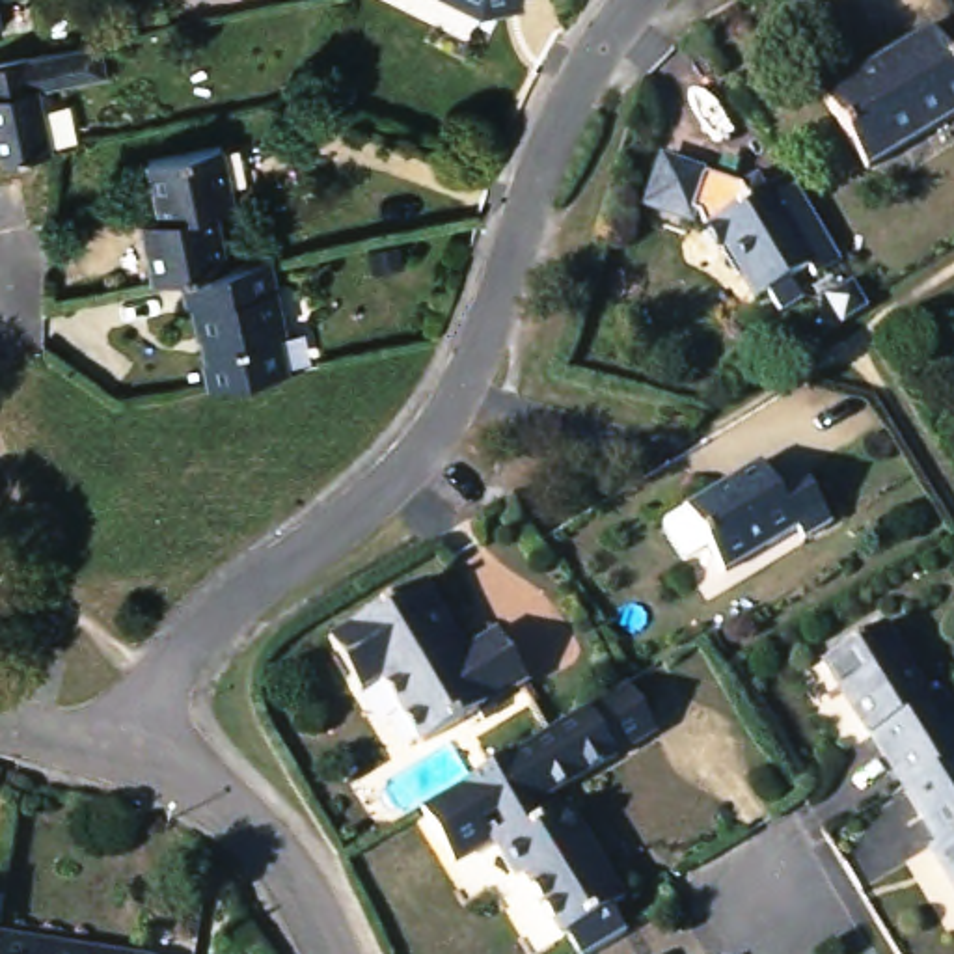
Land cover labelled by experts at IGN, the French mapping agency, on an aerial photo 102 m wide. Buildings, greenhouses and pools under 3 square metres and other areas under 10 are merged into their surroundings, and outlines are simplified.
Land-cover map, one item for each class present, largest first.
<instances>
[{"label":"herbaceous vegetation","instance_id":"1","mask_svg":"<svg viewBox=\"0 0 954 954\"><path fill-rule=\"evenodd\" d=\"M246 11L212 15L220 34L205 48H186L183 37L171 30L168 11L157 4L153 34L134 30L130 45L116 48L112 60L116 75L86 86L82 93H41V108L48 112L56 149L75 145V138H108L112 127L153 119L175 108H194L198 101L276 93L287 86L291 71L309 60L313 75L324 86L328 108L339 116L373 112L380 119L410 127L417 142L436 134V112L458 104L466 119L488 130V149L507 160L525 127V112L518 108V86L525 78V63L511 45V19H496L492 34L455 37L414 15H402L410 0H246ZM838 37L835 63L816 75L827 97L868 63V56L879 45L902 37L913 26V19L943 22V30L954 37V0H820ZM4 34H34L56 41L67 34V22H48L22 4L15 7ZM831 116L827 97L775 112L779 123L783 130L801 134L809 123ZM198 149H227L242 157L253 153V138L242 130V123H209L201 130L123 149L112 175L145 168ZM950 134L947 153L932 168H909L891 171L894 183L906 186L909 201L902 205L868 209L853 183L827 179V186L820 190L838 205L850 235L861 239L857 250H868L879 265L894 272L906 261L920 257L928 242L954 235V123L943 127ZM626 160L622 153H607L596 175L589 179L585 194L566 209H555L563 224L555 235V250L563 253L559 257L566 272L589 287L581 320L570 313L533 317V294L525 287L514 298V309L525 320H533V335H525L522 343V373L514 391L518 406L525 410L522 414L525 425L559 429L581 443H630L641 451V477L648 481L641 492H634L615 511L589 507L555 522V533L574 537L585 578L596 581V589L619 611L622 604H637L645 611V630L634 634L637 656L652 660L663 675H686L697 682L704 678V667L693 652V641L712 645L719 626L738 611H749L753 604H771L775 619L786 622L801 611H816L824 600L846 593L868 574L894 566L902 555L917 548L920 537L898 540L891 548L876 544V522L909 499H920L928 488L913 458H879V466L868 470L853 514L835 522L805 529V544L775 559L771 566L749 574L745 581L716 596H704L701 589L678 604L660 600V578L682 559L663 533V518L675 507L689 503L697 499V492L708 488L704 473L689 466V451L716 429L719 417L716 410H704L693 425H663V410L675 395L585 369L596 354L593 347L604 313L619 302L622 287L648 272L656 298L637 302V309L630 313L634 328L652 347H660L663 339L678 343L686 354L682 373L689 380H708L716 369V361L723 358V343H734L742 335L738 320L753 306L771 332L794 339L809 354V369L797 380L801 388L838 391L831 421H846L861 410H872L879 421L894 425L906 417L902 395L909 388L902 373L887 361L865 358L872 332L865 324L835 317L827 302H820L812 313H790L783 309L775 283L756 291L753 302H745L734 291L719 287L704 268L686 261L682 242L671 231H663V224L645 242H634L626 253L607 250L600 242L611 231V209L619 201L615 171ZM75 171L67 157L60 160V175L52 186L41 164L0 168V186L19 183L26 220L41 227L48 224L56 231H71L86 246L104 231L93 216V190H75ZM239 209H257L265 216V235H272L276 250L287 257L410 227H436L455 220L481 224L484 220L477 205L443 201L388 171H369L350 194H343L306 227L294 220L287 183V175L265 171L246 186ZM447 242H429V253L395 276H376L369 268V257H350L343 265V272L332 283V320L306 339L317 350L309 369H291L283 384H272L253 395H209L198 384V339H183L171 343L160 339V332L138 339L123 354L130 365L123 380L93 358H86L63 335L45 339L48 354L63 358L71 369H78L116 399L175 395V410H160L149 417L101 414L63 384L48 380L34 358L26 361L19 388L0 402V503L15 499L19 511L48 533L60 559L41 563L48 611H19L22 626L30 630V641L11 652L22 663L48 671L45 686L37 689L63 708L86 704L119 682V667L78 630V619L86 615L116 630L119 604L138 589L160 593L168 611L179 600H186L216 566H224L242 544L294 514L313 492H320L384 432V425L399 414V406L425 376L436 343L451 328L458 302L451 294H432V272L443 261ZM384 332H421L425 343L388 347L339 361L320 358L328 347ZM920 302L928 306V317L935 324L939 354L954 361V279ZM462 466H470L484 488L503 484L511 496L522 488L537 470V458L496 462L488 451H481L477 432L458 451ZM410 540V525L402 518H384L354 548L324 563L317 574H309L261 611V622L272 634L287 626L298 611H306L313 600L328 596L335 585L350 581L358 566L376 563L391 548ZM932 585H950L947 604L935 611L939 637L954 656V574L935 566L913 570L909 581H902V596L913 600ZM265 656V641L242 648L235 663L224 671V678L212 689V716L220 730L231 738V745L276 786V794L294 812L306 816L313 831L324 824L313 809L309 790L298 779L287 745L272 730L257 701V663ZM306 667L309 693L324 712V730L306 734V745L313 753L373 734L369 716L347 693V682L328 645H317L298 660ZM764 712L779 723L783 742L801 764L812 756V742L801 734V719L786 704L779 682L764 678ZM533 727L525 716H518L481 734V749L496 753L503 745H518L522 738H529ZM593 775L581 786L585 794L622 786L630 797L626 816L637 827L648 857L660 865H682L689 838L719 824V809L727 801L708 794L701 783L678 775L663 756L660 738L622 753L619 760L596 753V764H589ZM201 831L168 816L164 831H153L138 850H130L116 857L82 853L67 838L63 812H41L37 824L30 853V909L41 920V928L67 920L75 932L101 928L119 932L130 943L160 939L164 932H194L198 891L186 879V850ZM391 835L388 846L369 857V868L380 891L388 894L391 913L414 954H529L518 939L514 920L507 917L499 891L473 894L455 887L436 850L429 846L421 824L410 812H406L399 820H384ZM868 898L887 920L902 954H954V928L943 924V909L924 898L906 861L902 868L887 872L883 883L868 887Z\"/></svg>","mask_w":954,"mask_h":954},{"label":"impervious surface","instance_id":"2","mask_svg":"<svg viewBox=\"0 0 954 954\"><path fill-rule=\"evenodd\" d=\"M402 15H414L455 37L492 34L496 19H473L447 0H410ZM727 15L723 0H525L522 11L511 19V45L525 63V78L518 86V108L525 112V127L507 160L492 186L466 190L443 183L425 160L402 153L388 157L376 145L339 142H324V157H332L335 164H361L369 171H388L443 201L477 205L484 220L481 224V235L473 239V265L458 302L451 328L436 343L425 376L399 406V414L384 425V432L320 492H313L294 514L242 544L224 566H216L186 600H179L168 611L160 626L134 645L138 663L119 667V682L86 704L63 708L37 689L19 708L0 712V756L19 768L41 771L52 783L75 786H101L119 794V801L134 816L127 838L130 850H138L153 831H164L168 816L201 831L186 850V879L198 891L194 932H164L160 939L164 947H198L205 954H209L212 935H224V928L231 924L216 913L220 898H239L246 924L268 954H384L376 928L369 924V913L350 883L343 853L324 824L313 831L306 816L294 812L276 794V786L231 745V738L220 730L212 716V689L224 678V671L235 663L242 648L265 641L272 634L261 622V611L309 574H317L324 563L354 548L384 518H402L410 525V540H440L447 544L451 559L473 563L492 611L499 619H514L511 641L522 656L529 689H518L503 708L477 712L455 730L429 742L417 734L414 716L402 708L391 682H365L361 675L347 682V693L369 716L373 734L380 738L388 756L380 768L354 779V797L373 820H399L406 812L388 805L384 786L399 771L421 764L432 753L458 749L470 756L473 768L488 764L496 753L481 749V734L518 716H525L533 727H544V719L559 716L563 708L552 689V671L555 663L578 667L581 641L570 637L566 622L552 619L555 600L544 596L529 578L503 566L496 548H488L481 533L488 507L511 496L503 484L484 488L470 466H462L458 451L477 432L481 425L511 421L522 414L525 410L518 406L514 391L522 373V343L525 335H533V320H525L514 309V298L525 287L529 268H540L544 261L559 257L563 253L555 250V235L563 224L555 209L559 171L570 157L578 127L600 112L611 89H634L645 78L660 71L675 78L689 56H678L682 30ZM950 134L943 127L924 145L906 149L909 168H932L947 153ZM246 186L265 171L287 175V183L298 179V171L279 168V157L253 153L242 157ZM48 253L41 246V227L26 220L19 183L0 186V402L19 388L26 361L34 358L48 354L45 339L63 335L86 358H93L123 380L130 365L123 354L138 339L160 332V339L171 343L183 339L190 332V317L179 306L183 298L175 291L153 298L142 313H134L130 306L104 302L48 320L41 317V302L48 298ZM719 216L701 209L697 194H686V220H663V231H671L682 242L686 261L704 268L719 287L734 291L745 302H753L756 291L738 268L727 265L723 246L712 235ZM112 268H127L130 276H157V257H145L142 231H104L86 246V253L67 265V283L97 279ZM838 391L801 388L794 395H760L719 417L716 429L689 451V466L704 473H734L756 458H768L786 488H794L801 477H816L827 514L835 522L853 514L868 470L846 447L872 432L879 421L872 410H861L846 421H831ZM663 533L682 559L701 566V589L704 596H716L745 581L749 574L771 566L775 559L805 544V529L794 525L764 552L742 563H723L712 522L689 503L675 507L663 518ZM816 708L820 716L838 719L842 738H853L857 768L831 797L805 805L794 816L764 820V835L749 838L689 872V879H678L667 928L645 924L619 943H578L574 928L555 924V909L548 906L544 891L529 876L514 872L499 850L484 842L466 857L455 853L440 816L432 812V801L410 812L421 824L429 846L436 850L455 887L473 894L499 891L507 917L514 920L518 939L529 954H902L887 920L868 898V887L883 883L887 872L902 868L906 861L924 898L943 909V924L954 928V879L947 876L935 853L924 850L928 827L917 820L909 797L902 794L891 756L872 742H861L868 727L846 701V682L835 675V667L820 660ZM865 790L883 797L879 820L865 831L846 827L831 835V816L853 812Z\"/></svg>","mask_w":954,"mask_h":954},{"label":"building","instance_id":"3","mask_svg":"<svg viewBox=\"0 0 954 954\"><path fill-rule=\"evenodd\" d=\"M22 4V0H0V168L41 164L56 149L48 112L41 108V93H82L86 86L116 75L112 60L89 56L82 34H67L56 41L34 34H4L15 7ZM473 19H511L522 11L525 0H447ZM831 116L842 127L861 168L872 175L891 171L909 168L906 149L924 145L943 127L954 123V37L943 30V22L913 19V26L902 37L879 45L868 56V63L827 97ZM719 153L712 145H663L645 190L648 209H656L663 220H686V194H697L701 209L719 216L712 235L723 246L727 265L738 268L756 291L775 283L783 309L790 313H812L820 302H827L835 317L865 324L868 313L883 306L891 294L879 279V265L868 250H857L861 239L850 235L838 205L820 190H805L801 183H794V175L771 164L764 179L749 190L742 179L716 171ZM153 190V220L142 231L145 257H157V276L164 272L175 291L183 298L179 306L190 317V332L183 339H198V384L209 395H253L272 384H283L291 369H309L317 350L306 339L294 335L298 298L291 294L287 272L227 253L231 212L239 209L246 186L242 157L227 149H198L145 168ZM429 253V242L391 246L369 257V268L376 276H395ZM708 488L697 492V499L689 503L712 522L723 563H742L764 552L794 525L805 529L835 522L827 514L816 477H801L794 488H786L768 458H756L734 473H704ZM514 619H499L492 611L473 563L451 559V566L436 578L399 581L391 593H376L347 622H339L335 634H328V645L347 682L361 675L365 682H391L402 708L414 716L417 734L429 742L455 730L477 712L503 708L518 689H529L522 656L511 641ZM820 660L835 667V675L846 682V701L868 727L861 742H872L891 756L902 794L909 797L917 820L928 827L924 850L935 853L947 876L954 879V656L939 637L935 611L920 607L902 619H879V611H865L838 637L827 641V652ZM604 693L578 712L563 708L559 716L544 719V727H533L529 738H522L518 745H503L496 753L488 764L473 768L470 756L458 749L462 783L436 794L432 801V812L440 816L455 853L466 857L484 842L499 850L514 872L529 876L544 891L548 906L555 909V924L574 928L578 943H619L645 924V909L652 906L660 887V865L648 857L637 827L626 816L630 797L622 786L585 794L581 786L593 775L589 764H596V753L619 760L622 753L660 738L675 723H682L686 708L693 704L697 682L686 675H663L652 660L637 656L604 660ZM37 824L26 816L15 820L11 861L0 868V954H205L198 947H164L160 939L130 943L119 932L101 928L75 932L67 920L41 928V920L30 909V853Z\"/></svg>","mask_w":954,"mask_h":954},{"label":"brushwood","instance_id":"4","mask_svg":"<svg viewBox=\"0 0 954 954\"><path fill-rule=\"evenodd\" d=\"M22 4L48 22H67V34H82L89 56L112 60L116 48L130 45L134 30L153 34L157 4L168 11L171 30L183 37L186 48H205L220 34L212 15L246 11V0H22ZM727 15L682 30L678 56H689L708 63V93L723 104L730 127L745 123H779L775 112L753 89L742 56L764 34L775 30L779 19L809 11L816 0H723ZM663 127V104L645 78L634 89H611L600 112L578 127L570 157L559 171L555 209H566L585 194L589 179L596 175L607 153H622L626 160L615 171L619 201L611 209V231L600 242L607 250L626 253L634 242H645L663 224V220L656 209H648L645 190L663 145L656 134ZM276 93L198 101L194 108H175L153 119L112 127L108 138H75V145L56 149L41 164L52 186L60 175V160L67 157L75 171V190H93L104 175H112L123 149L201 130L209 123H242V130L253 138L261 127L272 123V112L265 104H272ZM339 142L376 145L388 157L402 153L417 142L410 127L380 119L373 112L339 116ZM369 171L361 164H335L332 157H324L313 168L298 171V179L287 183L294 220L306 227L343 194H350ZM868 209L902 205L909 201L906 186L894 183L891 171L872 175L861 168L853 183ZM481 235V224L455 220L436 227H410L287 257L276 250L272 235H265V216L257 209H239L231 212L227 253L287 272L291 294L298 298L294 335L306 339L332 320V283L343 272V265L350 257H369L391 246L429 242H447L443 261L432 272V294H451L458 302L473 265V239ZM41 246L48 253V298L41 302V317L48 320L104 302L130 306L134 313H142L153 298L175 291L164 272L157 276H130L127 268H112L97 279L67 283V265L86 253V246L71 231H56L48 224L41 227ZM954 261V235L928 242L920 257L906 261L894 272L879 265V279L891 294L913 287L939 265ZM656 298L648 272L622 287L619 302L604 313L593 347L596 354L585 369L675 395L663 410V425H693L704 410H716L719 417L760 395L756 384L727 380L716 369L708 380H689L682 373L686 354L678 343L663 339L660 347H652L634 328L630 313L637 309V302ZM865 358L887 361L902 373L909 388L902 395L906 417L894 425L879 421L872 432L846 447L868 470L879 466V458H913L928 488L920 499H909L876 522V544L891 548L898 540L920 537L917 548L902 555L894 566L868 574L846 593L824 600L816 611H801L786 622L775 619L771 604H753L749 611H738L719 626L712 645L693 641V652L704 667V678L697 682L693 704L712 708L730 723V734L738 738V756L749 771V786L764 801V820L794 816L805 805L831 797L857 768L853 738H842L838 719L820 716L816 708L820 660L827 652V641L838 637L865 611H879V619H902L920 607L935 611L947 604L950 585H932L913 600L902 596V581H909L913 570L935 566L954 574V361L939 354L935 324L928 317V306L920 302L898 309L872 332ZM764 678L779 682L786 704L801 719V734L812 742V756L801 764L783 742L779 723L764 712ZM425 343L421 332H384L328 347L320 358L339 361L388 347ZM48 380L63 384L101 414L149 417L160 410H175V395L116 399L78 369H71L63 358L48 354L34 358ZM481 533L488 548H496L503 566L529 578L544 596L555 600L552 619L566 622L570 637L581 641L578 667L555 663L552 671V689L563 708L578 712L604 693V660L637 656L634 634L622 626L619 611L596 589V581L585 578L574 537L555 533V522H548L537 511L533 496L522 488L511 496L488 507ZM451 566V559L447 544L440 540H410L391 548L376 563L358 566L350 581L335 585L328 596L313 600L306 611H298L287 626L272 634L265 641V656L257 663V701L272 730L287 745L298 779L309 790L313 809L324 824L343 853L350 883L369 913V924L376 928L384 954H414L391 913L388 894L380 891L369 868V857L388 846L391 835L384 820H373L354 797V779L380 768L388 756L380 738L373 734L313 753L306 745V734L324 730V712L309 693L306 667L298 660L317 645H328V634H335L339 622H347L376 593H391L399 581L436 578ZM701 589V566L682 559L660 578V600L678 604ZM168 611L160 593L138 589L119 604L116 630L123 641L134 645L160 626ZM82 805V794L75 786L52 783L41 771L19 768L0 756V868L11 861L15 820L26 816L37 824L41 812H78ZM883 797L865 790L853 812L831 816V835L846 827L865 831L879 820ZM749 838L745 820H738L734 805L727 801L719 809V824L689 838L682 865H660V887L652 906L645 909V924L667 928L678 879H689V872ZM216 913L231 924L224 928V935H212L209 954H268L246 924L239 898H220Z\"/></svg>","mask_w":954,"mask_h":954},{"label":"deciduous trees","instance_id":"5","mask_svg":"<svg viewBox=\"0 0 954 954\"><path fill-rule=\"evenodd\" d=\"M838 37L820 0H816L809 11L779 19L775 30L764 34L742 56L753 89L775 112L827 97L816 75L835 63ZM272 112V123L261 127L253 138V153L279 157V168L298 171L313 168L324 157V142H339V116L328 108L324 86L313 75L309 60L291 71L287 86L276 93L272 104H265ZM425 160L443 183L466 190L492 186L507 160L488 149V130L466 119L458 104L436 112V134L417 142L402 153ZM745 123L771 164L794 175V183H801L805 190H820L827 186V179L853 183L861 168L842 127L831 116L809 123L801 134L783 130L779 123ZM153 190L145 168L112 175H104L93 190V216L104 231H142L153 220ZM525 287L533 294V317L570 313L581 320L589 287L566 272L559 257L544 261L540 268H529ZM742 335L734 343H723V358L716 361V369L727 380L756 384L760 395H794L801 388L797 380L809 369V354L794 339L771 332L753 306L738 320ZM481 451H488L496 462L537 458V470L522 488L533 496L537 511L548 522H555L589 507L615 511L634 492H641L648 481L641 477V451L630 443H581L559 429L525 425L522 414L511 421L481 425L477 432ZM41 563L60 559L48 533L19 511L15 499L0 503V712L19 708L37 689L45 686L48 671L22 663L11 652L30 641V630L22 626L19 611H48ZM82 794V805L78 812H63L67 838L82 853L116 857L130 850L127 838L134 816L119 801V794L101 786H75Z\"/></svg>","mask_w":954,"mask_h":954},{"label":"pervious surface","instance_id":"6","mask_svg":"<svg viewBox=\"0 0 954 954\"><path fill-rule=\"evenodd\" d=\"M645 78L663 104V127L656 134L663 145H712L719 153L716 171L742 179L749 190L764 179L771 164L745 123L730 127L723 104L708 93V63L689 56L675 78L660 71ZM954 279V261L939 265L913 287L891 294L883 306L868 313L865 324L872 332L898 309L920 302ZM78 630L119 667L138 663L134 645L123 641L116 630L86 615L78 619ZM663 756L678 775L701 783L708 794L727 801L734 805L738 820H745L749 838L764 835V801L749 786V771L738 756V738L730 734V723L712 708L693 704L686 708L682 723H675L660 738Z\"/></svg>","mask_w":954,"mask_h":954},{"label":"swimming pool","instance_id":"7","mask_svg":"<svg viewBox=\"0 0 954 954\"><path fill-rule=\"evenodd\" d=\"M622 626L634 634L645 630V611L637 604H622L619 611ZM462 783L458 749L432 753L421 764L399 771L384 786L388 805L406 812H410L432 801L436 794Z\"/></svg>","mask_w":954,"mask_h":954}]
</instances>
